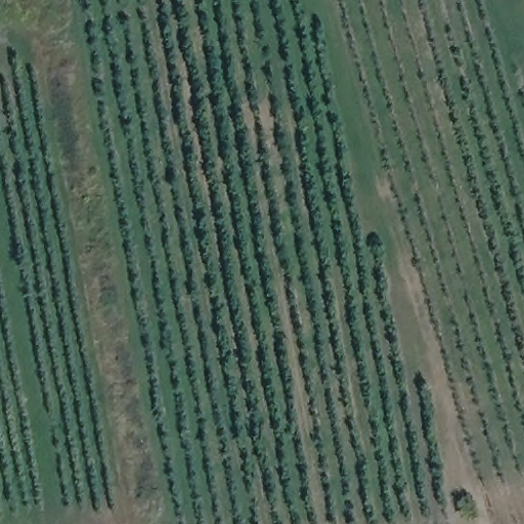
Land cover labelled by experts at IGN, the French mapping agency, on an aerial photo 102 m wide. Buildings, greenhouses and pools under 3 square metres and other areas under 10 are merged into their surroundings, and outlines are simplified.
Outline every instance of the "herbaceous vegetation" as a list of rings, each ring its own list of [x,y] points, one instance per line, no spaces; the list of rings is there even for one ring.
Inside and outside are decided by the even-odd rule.
[[[411,516],[395,516],[391,522],[383,524],[524,524],[524,242],[518,229],[512,197],[508,192],[508,180],[493,139],[493,133],[497,133],[497,125],[487,123],[483,98],[471,70],[479,63],[479,55],[475,51],[473,41],[483,35],[485,29],[491,27],[491,18],[483,12],[485,0],[299,0],[297,10],[301,14],[303,29],[311,25],[313,14],[319,16],[319,49],[323,72],[330,80],[330,96],[321,94],[323,104],[332,104],[332,113],[338,117],[338,121],[344,119],[338,137],[342,143],[344,182],[350,188],[352,211],[360,227],[358,246],[364,266],[364,291],[366,295],[373,295],[375,280],[385,278],[385,301],[393,317],[397,358],[403,368],[403,383],[413,383],[413,377],[422,375],[432,399],[430,432],[434,434],[438,446],[438,461],[442,465],[440,489],[444,504],[438,504],[434,501],[434,497],[430,497],[426,499],[428,516],[422,516],[418,510]],[[469,194],[469,190],[475,186],[481,192],[487,219],[479,219],[475,201]],[[506,315],[506,305],[499,289],[499,285],[506,280],[516,319],[508,319]],[[461,499],[467,493],[473,497],[477,506],[477,518],[465,518],[459,512]]]
[[[332,512],[325,512],[323,506],[317,456],[311,442],[311,418],[307,413],[307,395],[303,389],[295,334],[285,297],[282,268],[278,264],[278,256],[272,244],[268,203],[258,166],[252,170],[250,180],[256,186],[256,203],[260,211],[260,252],[266,254],[266,264],[272,276],[270,287],[274,291],[278,317],[282,323],[287,366],[293,379],[293,411],[307,467],[309,499],[315,514],[315,524],[336,524]]]
[[[90,88],[92,78],[90,53],[86,47],[88,43],[74,43],[70,35],[70,0],[0,0],[0,74],[6,82],[8,108],[10,113],[16,113],[16,98],[8,59],[16,59],[16,78],[20,88],[29,84],[25,63],[33,66],[41,127],[45,133],[47,160],[53,174],[53,190],[59,209],[66,250],[70,258],[72,291],[84,340],[84,354],[90,368],[92,397],[98,413],[100,442],[108,475],[108,489],[113,497],[113,508],[106,508],[104,501],[98,504],[98,510],[92,510],[90,501],[74,504],[68,508],[61,506],[55,475],[55,454],[59,454],[61,459],[68,452],[63,446],[59,405],[55,401],[49,405],[49,411],[43,409],[41,387],[35,375],[25,301],[20,293],[18,266],[10,258],[10,229],[0,184],[0,295],[6,315],[14,373],[18,381],[18,395],[27,420],[27,436],[39,495],[39,504],[20,506],[16,489],[12,489],[10,497],[4,499],[0,481],[0,524],[194,524],[192,516],[174,516],[172,506],[168,501],[168,485],[162,471],[162,456],[158,446],[158,436],[164,436],[164,430],[162,424],[154,424],[154,418],[149,413],[143,346],[139,342],[137,323],[131,309],[123,242],[119,233],[119,219],[108,178],[108,166],[115,164],[115,158],[106,160],[102,135],[96,123],[96,104],[92,102],[94,94]]]
[[[250,111],[250,102],[244,90],[242,57],[235,41],[235,23],[231,16],[231,4],[227,0],[225,0],[221,4],[221,20],[225,27],[227,51],[231,57],[229,72],[237,88],[239,111],[246,125],[248,156],[250,160],[258,158],[254,119],[260,117],[278,213],[287,213],[289,205],[285,201],[280,154],[274,145],[270,102],[260,102],[258,111]]]
[[[235,295],[239,301],[239,317],[246,332],[246,348],[254,354],[258,346],[252,330],[246,285],[239,272],[239,258],[233,246],[229,197],[223,184],[223,160],[217,151],[215,119],[209,102],[203,35],[199,31],[192,0],[184,0],[182,10],[188,18],[188,41],[194,55],[194,80],[199,82],[199,117],[203,123],[203,137],[209,139],[209,162],[215,164],[213,168],[209,168],[209,172],[215,176],[213,186],[217,188],[217,199],[221,203],[223,246],[229,260],[227,268],[233,278],[231,295]]]
[[[239,4],[239,16],[244,29],[244,43],[252,66],[252,76],[262,72],[262,47],[268,45],[268,51],[278,49],[274,23],[266,0],[262,0],[258,4],[258,12],[262,37],[254,37],[252,12],[246,0],[244,0]]]
[[[209,184],[201,168],[201,143],[197,127],[192,123],[188,72],[178,49],[178,23],[174,18],[170,0],[166,0],[166,35],[174,57],[174,66],[180,76],[180,119],[186,123],[186,131],[190,135],[190,170],[199,184],[201,197],[209,192]]]
[[[260,317],[260,330],[264,332],[266,377],[270,379],[270,385],[274,389],[276,420],[278,424],[287,424],[282,385],[278,379],[278,366],[274,356],[272,323],[266,313]]]

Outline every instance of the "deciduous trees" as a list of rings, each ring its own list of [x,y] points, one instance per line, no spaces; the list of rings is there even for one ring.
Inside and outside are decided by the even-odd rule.
[[[252,12],[254,37],[262,37],[258,12],[258,4],[262,0],[246,0]]]
[[[475,201],[479,219],[487,219],[481,192],[475,186],[469,190],[469,194]]]
[[[217,199],[217,188],[213,186],[215,176],[209,172],[209,168],[213,168],[215,164],[209,162],[209,139],[203,137],[203,123],[199,117],[199,82],[194,80],[194,55],[188,41],[188,18],[182,10],[184,0],[170,0],[174,18],[178,23],[178,49],[188,72],[192,123],[197,127],[201,143],[201,168],[209,184],[209,192],[201,197],[199,184],[190,170],[190,135],[186,131],[186,123],[180,119],[180,76],[174,66],[174,57],[166,35],[166,0],[70,0],[70,35],[74,43],[88,43],[86,47],[90,53],[92,78],[90,88],[94,94],[92,102],[96,104],[96,123],[102,135],[106,160],[115,158],[115,164],[108,166],[108,178],[119,219],[119,233],[123,242],[131,309],[137,323],[139,342],[143,346],[149,413],[154,418],[154,424],[162,424],[164,430],[164,436],[158,436],[158,446],[162,456],[162,471],[168,485],[168,501],[172,506],[174,516],[192,516],[194,524],[315,524],[315,514],[309,499],[307,467],[293,411],[293,379],[287,366],[282,323],[278,317],[274,291],[270,287],[272,276],[266,264],[266,254],[260,252],[260,211],[256,203],[256,186],[250,180],[252,170],[258,166],[268,203],[272,244],[278,256],[278,264],[282,268],[285,297],[295,334],[303,389],[307,395],[307,413],[311,418],[311,442],[317,456],[323,506],[325,512],[332,512],[336,524],[383,524],[391,522],[395,516],[411,516],[418,510],[422,516],[428,516],[426,499],[430,497],[434,497],[434,501],[438,504],[444,504],[440,489],[442,465],[438,461],[438,446],[434,434],[430,432],[432,399],[422,375],[413,377],[413,383],[403,383],[403,368],[397,358],[393,317],[385,301],[385,278],[375,280],[373,295],[366,295],[364,291],[364,266],[358,246],[360,227],[352,211],[350,188],[344,182],[342,143],[338,137],[344,119],[338,121],[338,117],[332,113],[332,104],[323,104],[321,94],[330,96],[330,80],[323,72],[319,49],[319,16],[313,14],[311,25],[303,29],[301,14],[297,10],[299,0],[266,0],[274,23],[278,49],[268,51],[268,45],[262,47],[262,72],[252,76],[252,66],[244,43],[244,29],[239,16],[239,4],[244,0],[227,0],[231,4],[231,16],[235,23],[235,41],[242,57],[244,90],[250,102],[250,111],[258,111],[260,102],[270,102],[274,145],[280,154],[285,201],[289,205],[287,213],[278,213],[260,117],[254,119],[258,158],[250,160],[248,156],[246,125],[239,111],[237,88],[229,72],[231,57],[227,51],[225,27],[221,20],[221,4],[225,0],[192,0],[199,31],[203,35],[209,102],[215,119],[217,151],[223,160],[223,184],[229,197],[233,246],[239,258],[239,272],[246,285],[252,330],[258,346],[254,354],[246,348],[246,332],[239,317],[239,301],[235,295],[231,295],[233,278],[227,268],[229,260],[223,246],[221,203]],[[272,323],[274,356],[278,366],[278,379],[282,385],[287,424],[278,424],[276,420],[274,389],[270,385],[270,379],[266,377],[264,332],[260,330],[260,317],[266,313]]]
[[[35,375],[41,387],[43,409],[49,411],[49,405],[55,401],[59,405],[63,446],[68,452],[61,459],[59,454],[55,454],[55,475],[61,506],[68,508],[74,504],[90,501],[92,510],[98,510],[98,504],[104,501],[106,508],[113,508],[113,497],[108,489],[108,475],[100,442],[98,413],[92,397],[90,368],[84,354],[84,340],[72,291],[70,258],[66,250],[59,209],[53,190],[53,174],[47,160],[45,133],[41,127],[33,66],[25,63],[29,84],[20,88],[16,78],[16,59],[8,59],[16,98],[16,113],[10,113],[8,108],[6,82],[0,74],[0,184],[10,229],[10,258],[18,266],[20,293],[25,301]]]
[[[508,319],[516,319],[506,280],[499,285],[499,289],[506,305],[506,315]]]
[[[27,436],[27,420],[18,395],[18,381],[14,373],[6,315],[0,295],[0,481],[4,499],[10,497],[12,489],[16,489],[20,506],[39,504],[39,495]]]
[[[467,493],[461,499],[459,512],[465,518],[477,518],[477,506],[473,497]]]
[[[491,27],[485,29],[483,35],[473,41],[475,51],[479,55],[479,63],[471,70],[483,98],[487,123],[497,125],[497,133],[493,133],[493,139],[508,180],[508,192],[512,197],[518,229],[524,242],[524,0],[485,0],[483,12],[491,18]]]

